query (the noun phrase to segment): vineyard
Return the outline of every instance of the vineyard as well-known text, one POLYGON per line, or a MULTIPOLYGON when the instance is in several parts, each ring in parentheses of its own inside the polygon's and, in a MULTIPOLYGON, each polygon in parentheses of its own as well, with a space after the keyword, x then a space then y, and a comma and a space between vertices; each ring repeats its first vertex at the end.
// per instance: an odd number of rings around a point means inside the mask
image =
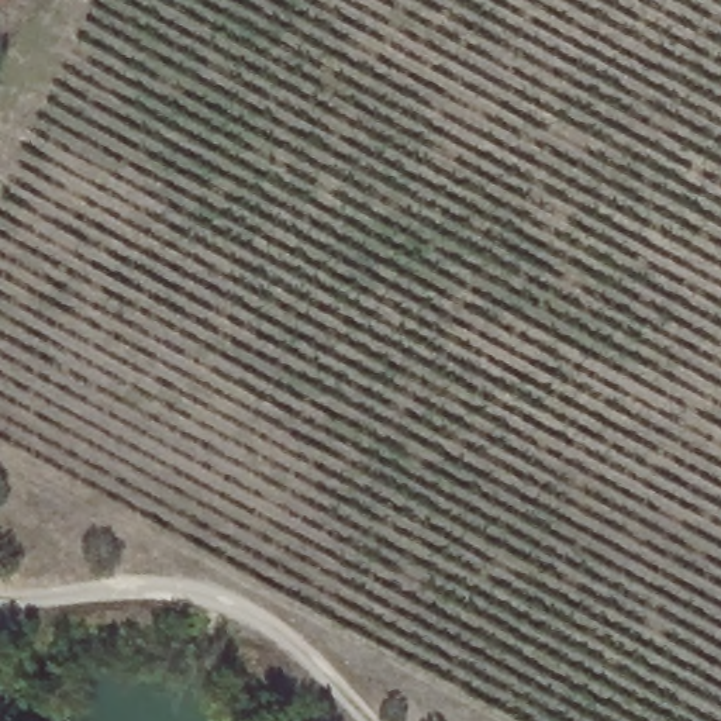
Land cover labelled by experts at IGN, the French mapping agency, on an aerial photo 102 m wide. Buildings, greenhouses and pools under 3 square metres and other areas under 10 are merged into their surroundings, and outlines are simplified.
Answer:
POLYGON ((79 25, 79 39, 110 56, 107 62, 87 59, 93 68, 101 70, 99 79, 79 70, 73 62, 62 62, 62 68, 76 79, 93 84, 96 90, 115 96, 121 104, 115 110, 104 101, 96 101, 84 90, 62 79, 54 79, 48 104, 45 110, 37 110, 37 121, 31 130, 48 144, 45 149, 39 149, 23 141, 20 169, 37 175, 54 189, 68 186, 87 194, 87 206, 121 220, 124 225, 161 242, 163 248, 183 253, 186 259, 203 268, 203 276, 124 237, 121 231, 82 214, 79 208, 56 197, 48 197, 45 192, 20 177, 6 180, 0 200, 0 442, 65 473, 68 479, 152 521, 158 529, 183 538, 186 544, 208 552, 211 558, 253 577, 256 583, 307 606, 310 611, 332 620, 335 625, 355 631, 377 648, 386 648, 394 656, 422 667, 425 673, 434 673, 437 679, 465 690, 470 698, 513 715, 515 721, 721 721, 721 0, 90 0, 87 20, 79 25))

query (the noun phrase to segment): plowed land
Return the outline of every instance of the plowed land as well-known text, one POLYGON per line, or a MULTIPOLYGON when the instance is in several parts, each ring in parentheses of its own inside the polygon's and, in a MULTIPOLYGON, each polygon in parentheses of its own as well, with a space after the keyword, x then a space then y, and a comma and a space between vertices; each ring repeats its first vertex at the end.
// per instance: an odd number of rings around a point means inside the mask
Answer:
POLYGON ((284 625, 290 625, 296 634, 301 634, 366 698, 366 704, 380 713, 386 693, 400 690, 408 704, 406 721, 515 721, 513 715, 470 698, 465 690, 437 679, 434 673, 425 673, 422 667, 394 656, 386 648, 377 648, 355 631, 335 625, 332 620, 310 611, 307 606, 256 583, 253 577, 211 558, 208 552, 186 544, 183 538, 158 529, 152 521, 68 479, 65 473, 0 442, 0 529, 11 529, 17 544, 23 546, 17 572, 20 577, 28 577, 28 586, 87 583, 99 577, 90 572, 84 560, 82 538, 104 541, 110 549, 121 552, 115 575, 192 577, 214 583, 231 594, 256 603, 259 608, 270 611, 284 625))

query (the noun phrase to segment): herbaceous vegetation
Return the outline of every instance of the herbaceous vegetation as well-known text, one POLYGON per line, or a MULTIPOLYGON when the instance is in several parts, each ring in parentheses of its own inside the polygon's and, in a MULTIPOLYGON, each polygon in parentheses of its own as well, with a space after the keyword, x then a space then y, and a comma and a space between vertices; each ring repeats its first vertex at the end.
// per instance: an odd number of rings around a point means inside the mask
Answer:
POLYGON ((31 130, 37 121, 37 110, 45 110, 48 104, 54 79, 62 79, 84 90, 96 101, 104 101, 115 110, 121 104, 115 96, 96 90, 93 84, 76 79, 62 68, 62 62, 73 62, 79 70, 99 79, 101 70, 93 68, 87 59, 107 62, 110 56, 79 39, 79 25, 87 20, 90 0, 0 0, 0 200, 6 180, 20 177, 45 192, 48 197, 56 197, 79 208, 82 214, 121 231, 124 237, 203 276, 203 268, 186 259, 183 253, 163 248, 161 242, 124 225, 121 220, 87 206, 87 194, 68 186, 54 189, 37 175, 20 169, 23 141, 39 149, 45 149, 48 144, 31 130))

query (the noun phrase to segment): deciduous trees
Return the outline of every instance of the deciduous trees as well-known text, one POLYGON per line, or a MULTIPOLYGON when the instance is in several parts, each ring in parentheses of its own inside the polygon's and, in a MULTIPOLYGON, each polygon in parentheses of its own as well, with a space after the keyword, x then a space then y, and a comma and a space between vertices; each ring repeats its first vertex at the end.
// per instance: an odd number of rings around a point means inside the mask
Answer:
POLYGON ((332 698, 330 687, 318 684, 282 648, 276 648, 262 634, 228 617, 208 617, 208 611, 200 606, 183 600, 101 600, 56 608, 14 603, 0 606, 0 721, 70 721, 90 715, 90 682, 113 682, 121 687, 152 684, 169 696, 192 693, 206 721, 344 721, 344 713, 332 698))
POLYGON ((115 575, 121 552, 110 549, 104 541, 82 538, 84 560, 90 572, 99 577, 115 575))
POLYGON ((0 529, 0 580, 17 572, 23 546, 17 544, 11 529, 0 529))
POLYGON ((406 721, 408 704, 400 690, 386 693, 380 713, 380 721, 406 721))

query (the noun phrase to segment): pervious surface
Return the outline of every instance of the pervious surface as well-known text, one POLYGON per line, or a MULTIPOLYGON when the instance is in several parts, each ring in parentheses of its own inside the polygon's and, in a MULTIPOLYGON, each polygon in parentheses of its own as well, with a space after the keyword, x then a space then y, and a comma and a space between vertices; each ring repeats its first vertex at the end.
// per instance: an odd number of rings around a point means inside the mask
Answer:
POLYGON ((270 611, 259 608, 256 603, 231 594, 214 583, 192 577, 115 575, 99 577, 87 583, 28 586, 28 577, 20 577, 17 572, 0 580, 0 606, 14 603, 56 608, 101 600, 183 600, 200 606, 208 611, 208 617, 228 617, 262 634, 276 648, 282 648, 318 684, 330 687, 332 698, 344 713, 344 721, 380 721, 380 713, 366 704, 366 698, 301 634, 296 634, 290 625, 284 625, 270 611))

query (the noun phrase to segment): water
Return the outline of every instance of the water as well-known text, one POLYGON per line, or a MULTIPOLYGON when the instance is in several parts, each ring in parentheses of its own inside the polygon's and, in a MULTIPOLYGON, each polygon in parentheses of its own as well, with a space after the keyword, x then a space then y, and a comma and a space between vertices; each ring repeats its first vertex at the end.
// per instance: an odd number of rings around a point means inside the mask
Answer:
POLYGON ((206 721, 192 693, 169 696, 152 684, 121 687, 113 682, 90 682, 90 715, 70 721, 206 721))

